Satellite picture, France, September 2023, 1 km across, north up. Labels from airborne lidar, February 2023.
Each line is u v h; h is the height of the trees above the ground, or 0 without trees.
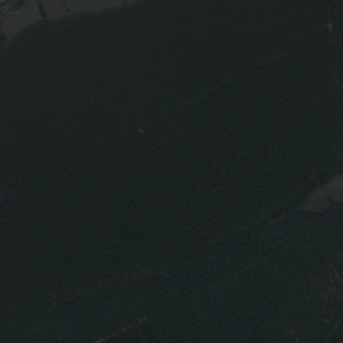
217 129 26
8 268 23
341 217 28
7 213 26
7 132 24
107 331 26
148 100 25
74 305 24
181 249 19
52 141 24
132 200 23
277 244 27
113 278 19
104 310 23
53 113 21
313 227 31
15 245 25
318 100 22
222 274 26
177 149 23
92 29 21
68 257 21
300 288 39
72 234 23
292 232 29
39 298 23
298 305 36
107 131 24
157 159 22
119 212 23
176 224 24
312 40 23
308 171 16
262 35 24
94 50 20
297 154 24
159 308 29
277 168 21
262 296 31
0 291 25
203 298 29
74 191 23
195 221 23
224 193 24
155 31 25
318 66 23
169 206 24
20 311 25
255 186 24
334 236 31
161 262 17
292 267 31
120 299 29
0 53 14
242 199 24
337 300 25
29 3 0
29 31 20
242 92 25
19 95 26
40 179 21
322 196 0
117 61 25
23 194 22
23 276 22
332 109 20
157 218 21
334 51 21
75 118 23
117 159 21
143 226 21
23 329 27
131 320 27
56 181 23
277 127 27
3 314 22
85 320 17
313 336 36
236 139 24
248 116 27
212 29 23
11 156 23
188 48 19
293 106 24
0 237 26
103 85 26
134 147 24
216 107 27
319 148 21
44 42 21
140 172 25
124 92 25
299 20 21
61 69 23
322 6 18
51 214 25
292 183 22
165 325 32
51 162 23
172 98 24
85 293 26
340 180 0
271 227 0
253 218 17
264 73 25
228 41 25
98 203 28
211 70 26
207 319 34
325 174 22
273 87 23
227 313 30
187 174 25
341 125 18
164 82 26
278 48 23
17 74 21
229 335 34
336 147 21
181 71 27
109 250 17
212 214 22
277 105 23
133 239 18
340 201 0
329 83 22
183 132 23
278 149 21
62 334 24
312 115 23
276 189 21
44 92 21
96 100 20
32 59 24
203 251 23
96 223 22
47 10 0
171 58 23
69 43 19
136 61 26
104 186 24
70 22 19
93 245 21
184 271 30
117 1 0
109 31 22
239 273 28
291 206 23
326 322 30
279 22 24
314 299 33
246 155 22
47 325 26
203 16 23
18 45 17
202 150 27
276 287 31
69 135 22
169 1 21
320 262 30
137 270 21
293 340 25
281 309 32
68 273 20
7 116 25
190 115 26
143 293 21
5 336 30
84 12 0
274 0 25
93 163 23
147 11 21
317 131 23
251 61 23
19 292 25
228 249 29
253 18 23
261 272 34
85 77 25
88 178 24
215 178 25
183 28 21
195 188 21
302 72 23
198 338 35
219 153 21
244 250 31
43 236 22
